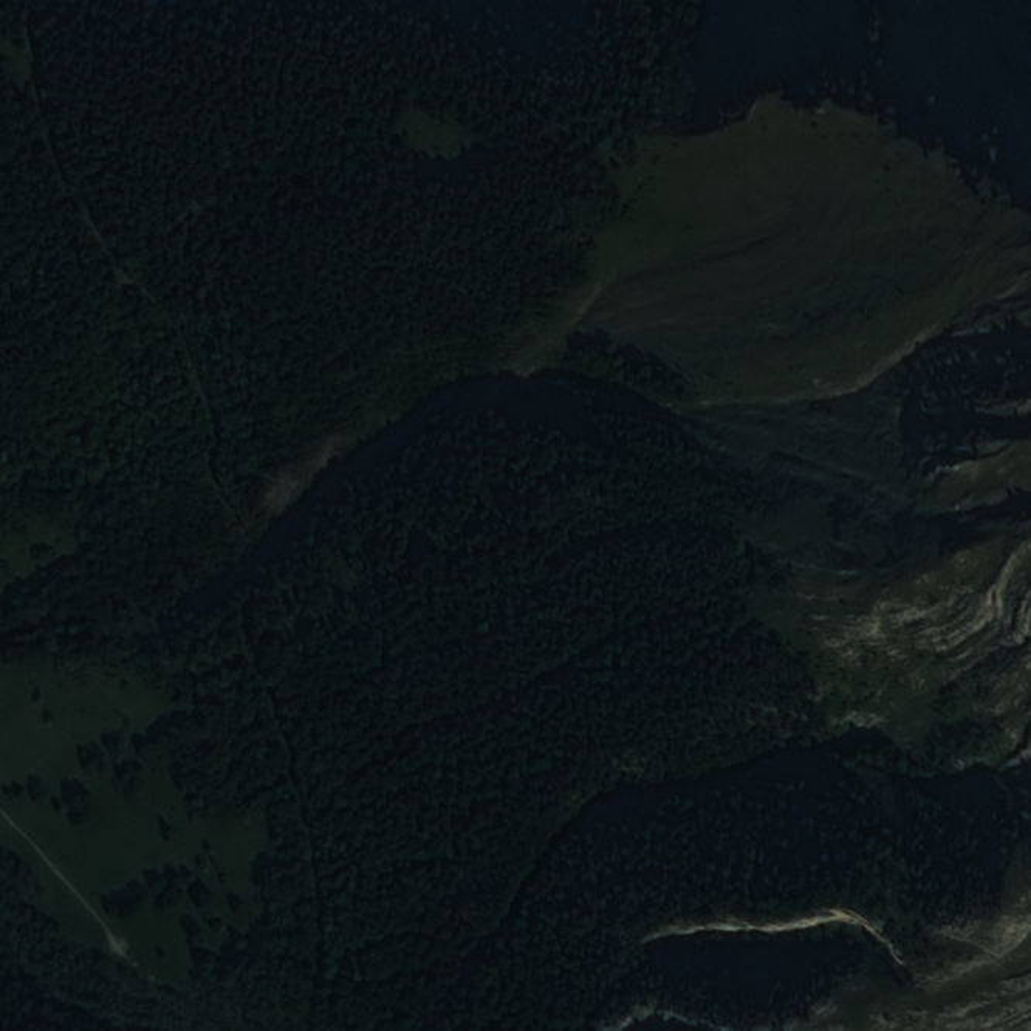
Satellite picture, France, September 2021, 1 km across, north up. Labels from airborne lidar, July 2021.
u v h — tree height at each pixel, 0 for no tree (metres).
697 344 0
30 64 0
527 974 28
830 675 8
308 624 7
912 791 13
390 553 29
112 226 19
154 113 22
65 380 20
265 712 27
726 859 24
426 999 20
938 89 0
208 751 23
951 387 0
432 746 25
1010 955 0
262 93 17
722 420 0
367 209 27
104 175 21
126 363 21
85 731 0
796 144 0
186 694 7
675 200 0
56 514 23
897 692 0
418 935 24
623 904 24
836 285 0
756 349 0
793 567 7
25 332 27
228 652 27
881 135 0
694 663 19
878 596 0
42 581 16
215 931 22
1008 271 0
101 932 0
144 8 35
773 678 26
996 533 0
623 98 11
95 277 28
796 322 0
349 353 21
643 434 11
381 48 19
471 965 6
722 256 0
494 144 25
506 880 18
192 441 28
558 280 23
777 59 0
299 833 16
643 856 26
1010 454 0
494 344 8
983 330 0
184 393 19
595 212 29
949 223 0
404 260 21
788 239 0
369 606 28
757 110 0
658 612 24
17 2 29
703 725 16
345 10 19
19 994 21
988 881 9
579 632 26
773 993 16
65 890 0
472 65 21
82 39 23
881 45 0
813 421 0
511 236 18
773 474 0
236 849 0
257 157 26
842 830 19
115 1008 6
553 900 23
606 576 25
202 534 31
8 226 16
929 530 0
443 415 6
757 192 0
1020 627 0
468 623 22
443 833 24
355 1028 27
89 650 20
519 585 9
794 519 0
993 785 7
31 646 17
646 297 0
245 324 24
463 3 17
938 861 8
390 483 26
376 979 27
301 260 32
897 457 0
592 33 27
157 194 18
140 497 31
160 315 19
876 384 0
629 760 8
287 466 18
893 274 0
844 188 0
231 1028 6
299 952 28
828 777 10
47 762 0
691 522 6
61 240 23
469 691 31
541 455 30
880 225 0
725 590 23
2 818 0
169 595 16
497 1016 28
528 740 28
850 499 0
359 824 29
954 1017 0
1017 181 0
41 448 18
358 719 28
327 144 24
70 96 29
